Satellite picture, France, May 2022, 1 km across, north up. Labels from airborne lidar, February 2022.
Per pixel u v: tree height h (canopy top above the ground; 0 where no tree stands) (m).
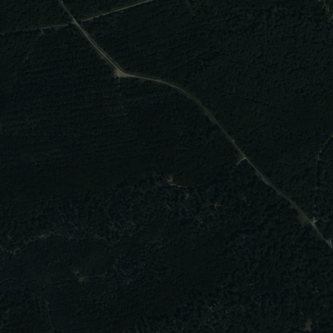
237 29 12
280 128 20
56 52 9
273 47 32
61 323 10
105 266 9
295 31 32
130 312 16
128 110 10
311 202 15
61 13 22
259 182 17
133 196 27
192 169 15
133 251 11
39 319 13
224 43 27
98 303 10
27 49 14
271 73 31
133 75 0
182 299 10
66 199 13
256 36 29
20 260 8
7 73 23
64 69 14
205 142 28
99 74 16
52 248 10
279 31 32
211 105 17
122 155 13
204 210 33
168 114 13
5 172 15
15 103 17
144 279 12
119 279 28
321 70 31
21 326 10
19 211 16
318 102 25
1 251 21
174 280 10
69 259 12
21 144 15
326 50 32
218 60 27
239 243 25
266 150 18
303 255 30
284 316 29
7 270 11
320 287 27
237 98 21
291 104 22
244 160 0
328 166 12
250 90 25
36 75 15
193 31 14
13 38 23
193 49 19
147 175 7
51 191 10
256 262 31
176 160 12
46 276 9
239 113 18
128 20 13
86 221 27
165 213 11
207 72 23
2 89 15
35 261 11
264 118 18
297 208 0
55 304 11
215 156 15
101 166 12
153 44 11
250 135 14
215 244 11
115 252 7
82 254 12
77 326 11
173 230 10
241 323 29
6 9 22
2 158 13
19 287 12
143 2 0
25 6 24
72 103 14
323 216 27
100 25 28
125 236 9
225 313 34
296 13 33
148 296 8
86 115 9
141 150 14
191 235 23
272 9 32
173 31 12
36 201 14
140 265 13
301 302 27
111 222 20
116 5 14
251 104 23
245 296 9
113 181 12
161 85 6
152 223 12
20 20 22
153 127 15
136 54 12
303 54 30
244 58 31
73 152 16
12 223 9
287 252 29
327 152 15
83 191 12
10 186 14
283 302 32
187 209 31
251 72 32
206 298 34
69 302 10
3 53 25
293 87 30
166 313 12
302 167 23
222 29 11
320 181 21
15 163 16
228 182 31
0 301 27
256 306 33
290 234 30
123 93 9
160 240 14
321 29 32
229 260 15
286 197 0
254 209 16
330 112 20
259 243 26
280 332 25
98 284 12
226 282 11
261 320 31
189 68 12
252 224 31
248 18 10
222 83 25
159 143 15
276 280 11
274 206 28
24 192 13
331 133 17
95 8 24
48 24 22
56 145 16
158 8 10
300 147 22
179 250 11
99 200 11
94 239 10
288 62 28
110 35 6
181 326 31
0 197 13
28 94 16
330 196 16
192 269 15
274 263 11
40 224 9
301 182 23
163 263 13
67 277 11
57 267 10
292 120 18
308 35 28
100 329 12
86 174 11
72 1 16
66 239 15
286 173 25
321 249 27
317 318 13
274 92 28
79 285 12
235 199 30
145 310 16
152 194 14
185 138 10
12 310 34
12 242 11
